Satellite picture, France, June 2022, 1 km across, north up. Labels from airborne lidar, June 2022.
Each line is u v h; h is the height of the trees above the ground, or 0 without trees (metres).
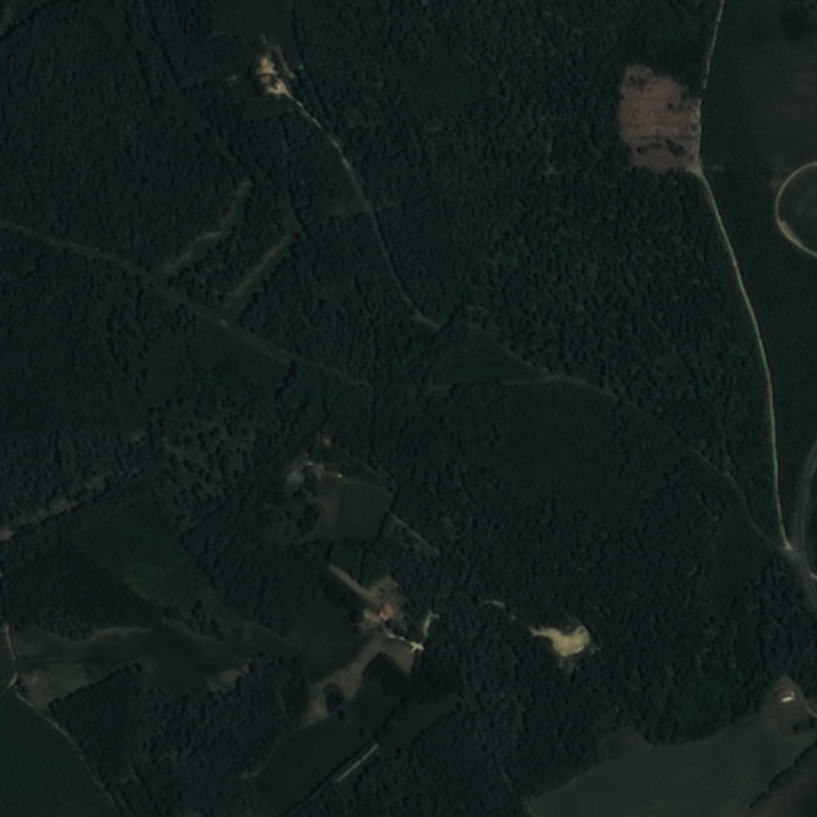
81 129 14
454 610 15
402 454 21
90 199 25
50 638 0
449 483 17
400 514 16
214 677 0
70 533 24
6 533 0
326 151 19
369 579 19
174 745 20
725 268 9
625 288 13
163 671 0
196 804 25
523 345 6
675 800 0
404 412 19
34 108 19
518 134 19
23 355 16
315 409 29
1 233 18
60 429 13
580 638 0
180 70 21
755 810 9
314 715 0
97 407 14
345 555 21
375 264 20
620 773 0
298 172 21
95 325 18
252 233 17
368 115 15
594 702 23
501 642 16
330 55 17
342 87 15
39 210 20
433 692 16
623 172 16
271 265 0
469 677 13
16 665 6
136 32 15
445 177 16
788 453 6
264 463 21
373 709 0
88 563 20
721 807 0
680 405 16
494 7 17
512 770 20
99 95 21
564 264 15
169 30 21
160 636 0
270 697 23
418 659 9
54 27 22
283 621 17
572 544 20
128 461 16
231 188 24
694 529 18
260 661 11
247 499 20
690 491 21
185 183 25
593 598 19
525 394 6
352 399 17
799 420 7
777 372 6
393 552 13
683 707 11
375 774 17
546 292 18
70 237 25
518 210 11
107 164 28
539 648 19
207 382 12
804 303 6
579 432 6
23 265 20
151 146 27
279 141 15
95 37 25
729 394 14
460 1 15
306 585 27
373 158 22
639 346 16
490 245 13
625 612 19
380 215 15
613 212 15
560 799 0
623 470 9
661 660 18
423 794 12
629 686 19
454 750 15
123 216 23
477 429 17
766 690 16
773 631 19
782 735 0
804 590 8
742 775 0
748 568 7
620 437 17
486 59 13
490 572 19
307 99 22
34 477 11
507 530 18
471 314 7
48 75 24
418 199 16
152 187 30
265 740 21
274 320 15
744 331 11
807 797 0
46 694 0
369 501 0
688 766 0
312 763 0
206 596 0
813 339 7
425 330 13
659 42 9
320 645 0
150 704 17
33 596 18
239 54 17
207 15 18
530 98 11
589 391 7
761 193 7
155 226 20
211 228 19
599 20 11
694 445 16
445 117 6
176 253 21
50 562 20
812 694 20
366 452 21
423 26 11
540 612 17
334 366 19
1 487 14
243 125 22
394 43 16
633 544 19
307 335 18
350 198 0
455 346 17
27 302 17
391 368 19
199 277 15
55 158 20
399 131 12
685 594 18
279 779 0
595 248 15
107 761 17
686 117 0
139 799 14
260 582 21
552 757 20
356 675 0
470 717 10
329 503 0
